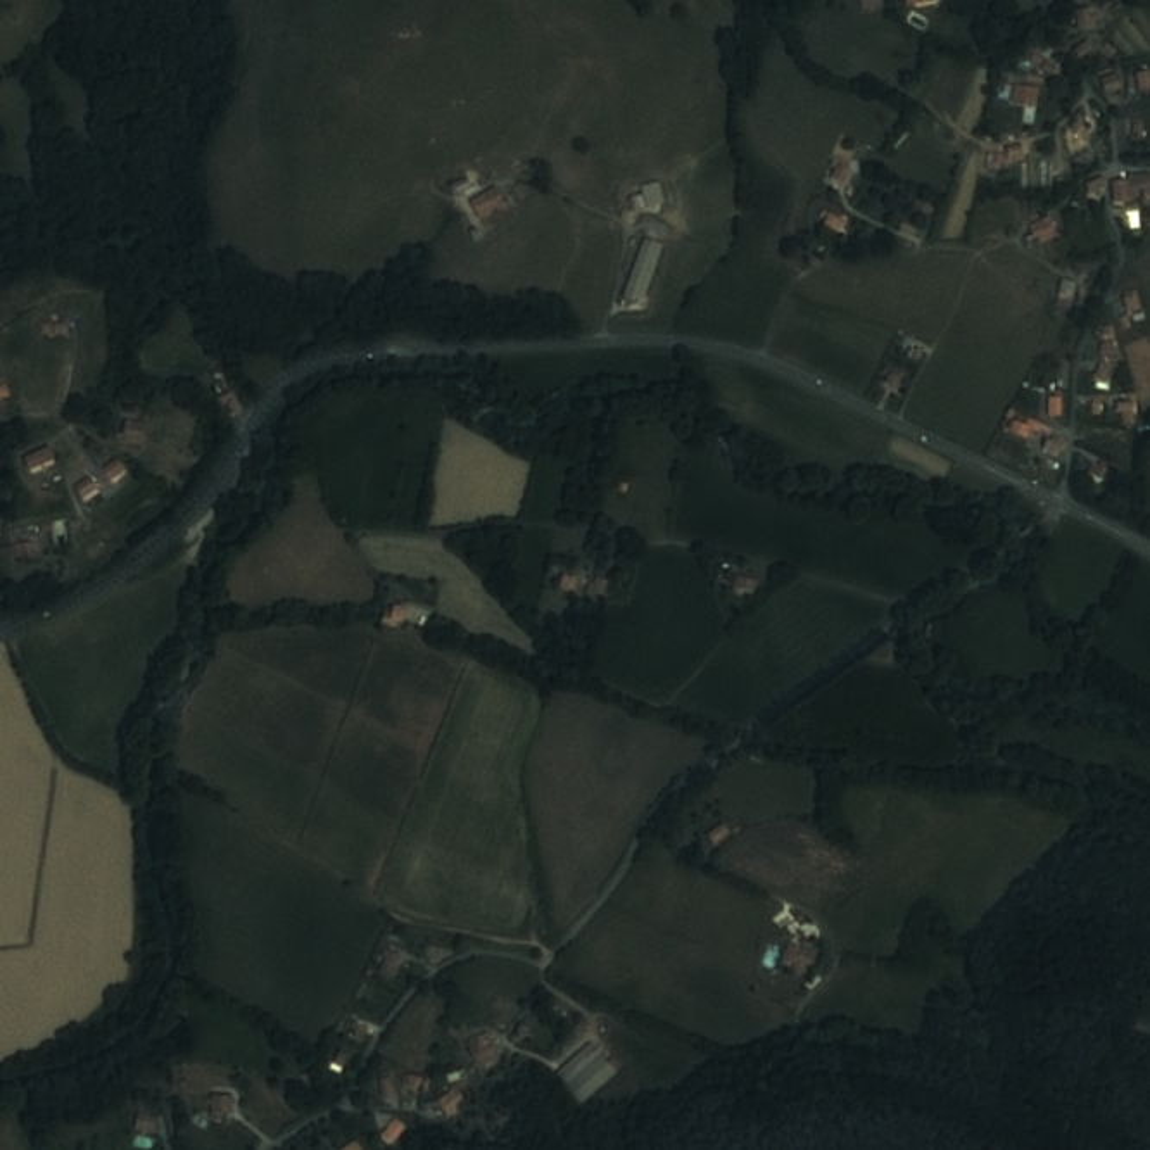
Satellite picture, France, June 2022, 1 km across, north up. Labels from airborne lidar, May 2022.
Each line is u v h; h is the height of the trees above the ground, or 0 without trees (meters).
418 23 0
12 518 24
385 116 0
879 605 0
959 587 24
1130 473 9
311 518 0
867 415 0
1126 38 0
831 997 0
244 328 24
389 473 0
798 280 0
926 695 11
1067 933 21
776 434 0
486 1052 0
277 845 0
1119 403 0
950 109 0
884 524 0
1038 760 17
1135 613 0
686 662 0
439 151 0
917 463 0
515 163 0
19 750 0
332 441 0
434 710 0
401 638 0
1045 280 0
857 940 0
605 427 27
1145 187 0
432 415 0
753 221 0
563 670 21
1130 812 14
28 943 0
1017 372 0
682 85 0
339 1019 0
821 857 0
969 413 0
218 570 22
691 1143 8
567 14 0
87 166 23
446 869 0
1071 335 0
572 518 11
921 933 9
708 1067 13
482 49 0
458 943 10
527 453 9
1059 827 0
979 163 0
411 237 0
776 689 0
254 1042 0
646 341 0
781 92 0
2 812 0
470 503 0
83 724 0
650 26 0
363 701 0
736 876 6
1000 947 23
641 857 7
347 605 11
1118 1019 16
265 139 0
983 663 0
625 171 0
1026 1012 17
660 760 0
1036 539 9
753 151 0
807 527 0
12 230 23
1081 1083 12
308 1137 6
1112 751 0
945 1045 22
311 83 0
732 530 0
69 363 0
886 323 0
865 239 9
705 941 0
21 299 0
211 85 21
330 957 0
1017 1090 26
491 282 0
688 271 0
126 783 20
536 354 0
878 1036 19
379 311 27
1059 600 0
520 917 0
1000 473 0
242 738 0
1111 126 6
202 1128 0
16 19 0
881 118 0
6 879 0
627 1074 0
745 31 16
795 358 0
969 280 0
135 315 21
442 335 15
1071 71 16
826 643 0
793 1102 14
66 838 0
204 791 10
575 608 17
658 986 0
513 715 0
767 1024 0
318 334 19
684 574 0
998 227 0
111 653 0
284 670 0
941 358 0
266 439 11
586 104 0
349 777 0
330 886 0
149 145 28
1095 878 21
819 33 0
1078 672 14
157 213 22
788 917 0
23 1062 13
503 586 22
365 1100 10
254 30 0
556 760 0
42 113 20
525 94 0
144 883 11
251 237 0
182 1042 22
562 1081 12
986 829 0
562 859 0
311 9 0
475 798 0
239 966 0
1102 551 0
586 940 0
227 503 16
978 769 9
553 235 0
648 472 0
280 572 0
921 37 7
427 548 0
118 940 0
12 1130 0
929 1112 16
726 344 0
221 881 0
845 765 22
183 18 26
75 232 27
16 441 10
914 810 0
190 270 20
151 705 13
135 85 25
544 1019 6
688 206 0
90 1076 23
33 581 17
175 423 0
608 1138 16
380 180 0
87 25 24
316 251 0
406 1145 16
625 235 0
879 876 0
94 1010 0
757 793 0
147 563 0
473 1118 8
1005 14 19
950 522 33
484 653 15
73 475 0
